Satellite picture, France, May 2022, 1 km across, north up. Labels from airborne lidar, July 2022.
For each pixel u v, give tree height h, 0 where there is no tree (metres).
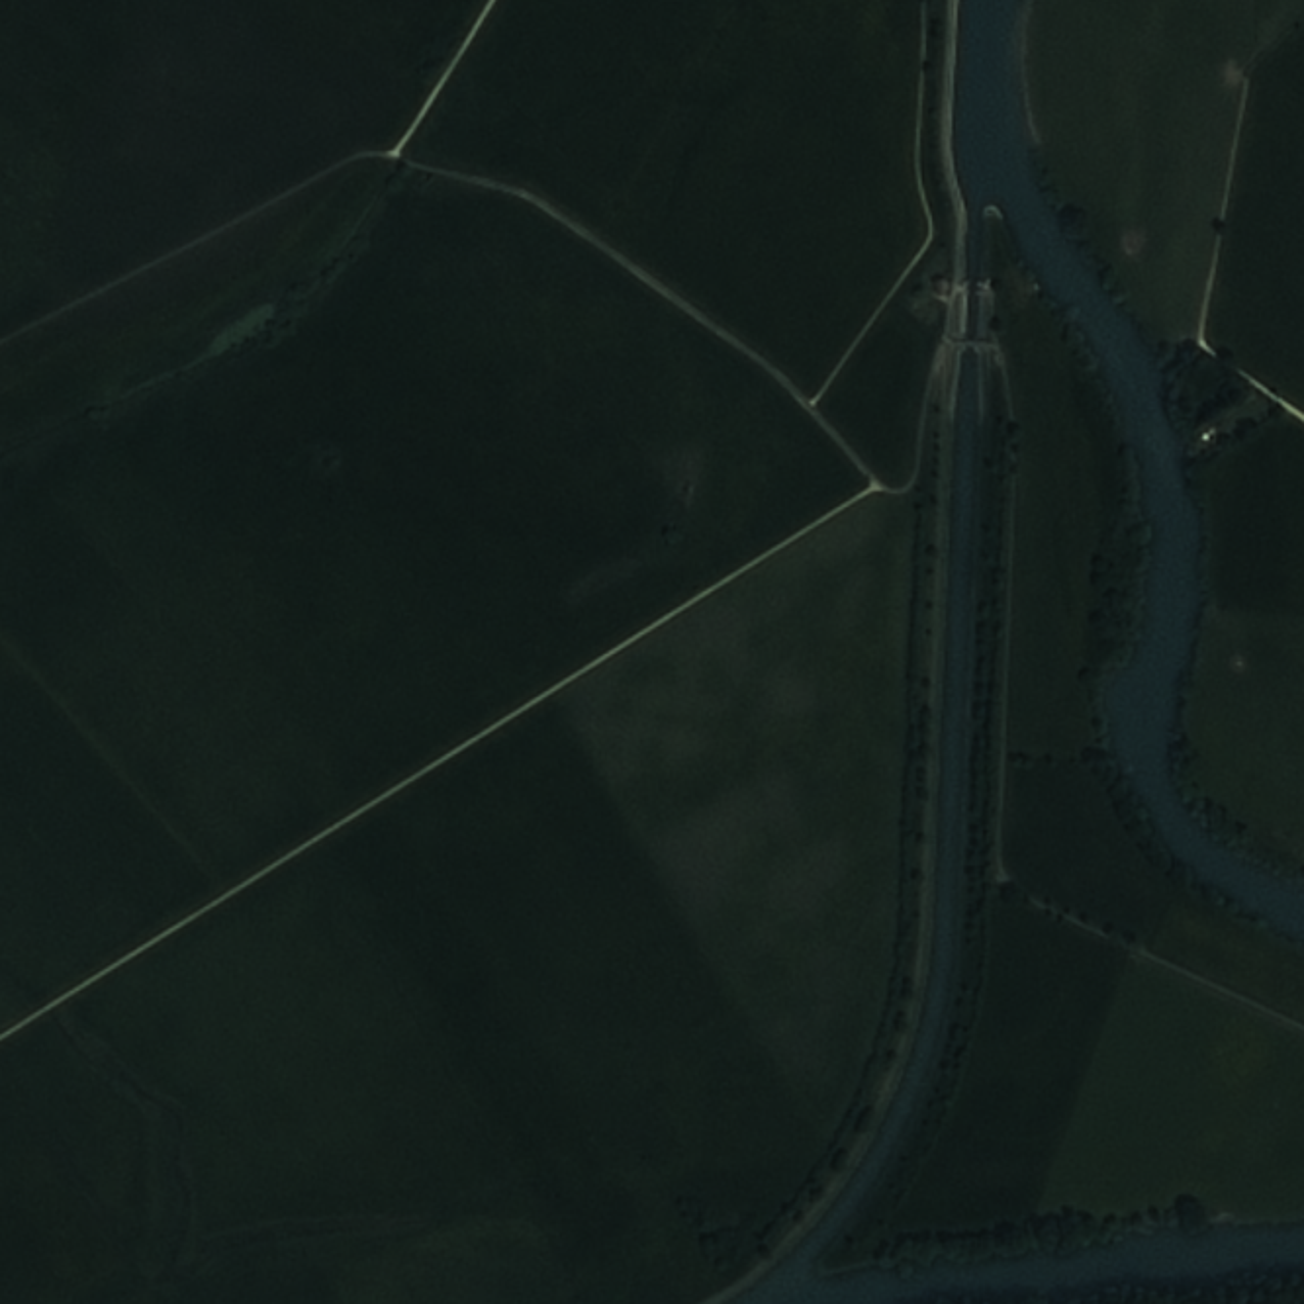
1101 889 0
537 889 0
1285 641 0
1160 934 0
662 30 0
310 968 0
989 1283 0
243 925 0
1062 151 0
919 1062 0
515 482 0
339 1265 0
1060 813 0
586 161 0
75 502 0
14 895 0
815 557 0
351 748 0
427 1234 0
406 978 0
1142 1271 0
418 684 0
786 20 0
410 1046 0
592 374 0
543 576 0
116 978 0
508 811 0
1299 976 0
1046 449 0
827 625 0
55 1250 0
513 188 0
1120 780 15
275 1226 0
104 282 0
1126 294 12
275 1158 0
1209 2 0
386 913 0
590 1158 0
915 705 7
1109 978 0
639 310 0
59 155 0
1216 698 0
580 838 0
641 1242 0
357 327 0
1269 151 0
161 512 0
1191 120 0
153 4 0
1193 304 0
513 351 0
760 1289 0
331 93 0
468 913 0
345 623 0
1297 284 0
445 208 0
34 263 0
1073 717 0
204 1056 0
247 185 0
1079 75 0
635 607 0
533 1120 0
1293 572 0
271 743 0
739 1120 0
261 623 0
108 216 0
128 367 0
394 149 0
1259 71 0
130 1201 0
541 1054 0
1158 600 0
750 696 0
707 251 0
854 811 0
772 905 0
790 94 0
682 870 0
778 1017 0
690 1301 0
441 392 0
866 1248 0
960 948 0
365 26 0
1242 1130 0
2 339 0
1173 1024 0
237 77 0
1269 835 0
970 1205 0
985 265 0
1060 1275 0
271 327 8
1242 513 0
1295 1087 0
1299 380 0
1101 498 0
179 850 0
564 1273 0
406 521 0
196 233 0
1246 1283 21
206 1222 0
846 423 0
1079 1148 0
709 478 0
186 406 0
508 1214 0
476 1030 0
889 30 0
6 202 0
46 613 0
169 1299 0
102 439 0
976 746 9
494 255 0
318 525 0
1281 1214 0
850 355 0
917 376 0
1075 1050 0
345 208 0
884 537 0
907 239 0
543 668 0
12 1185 0
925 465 0
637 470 0
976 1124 0
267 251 0
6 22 0
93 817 0
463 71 0
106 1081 0
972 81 0
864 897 0
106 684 0
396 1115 0
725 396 0
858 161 0
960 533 0
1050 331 0
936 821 0
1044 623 0
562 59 0
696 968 0
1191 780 9
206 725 0
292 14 0
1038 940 0
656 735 0
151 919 0
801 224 0
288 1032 0
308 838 0
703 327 0
